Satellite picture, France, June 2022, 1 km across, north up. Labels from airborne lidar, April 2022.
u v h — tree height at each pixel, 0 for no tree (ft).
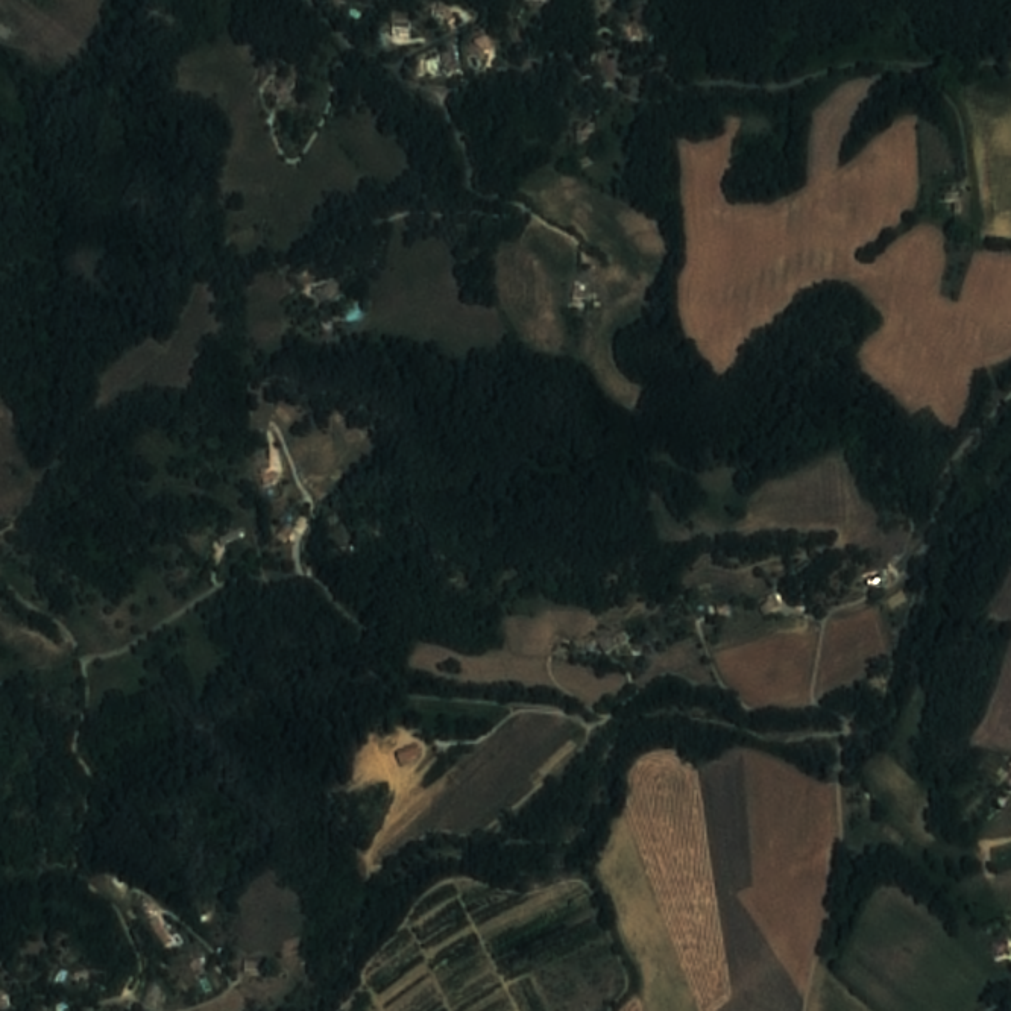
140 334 37
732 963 0
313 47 51
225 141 44
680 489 54
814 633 0
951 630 52
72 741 29
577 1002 0
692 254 0
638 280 0
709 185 0
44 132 41
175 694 47
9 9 0
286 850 22
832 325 43
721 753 48
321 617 66
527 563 42
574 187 0
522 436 53
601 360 0
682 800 0
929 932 0
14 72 32
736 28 37
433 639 45
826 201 0
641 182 31
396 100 59
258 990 0
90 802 34
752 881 0
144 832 52
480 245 42
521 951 25
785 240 0
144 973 24
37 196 46
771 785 0
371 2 27
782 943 0
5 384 33
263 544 22
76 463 41
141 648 21
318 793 38
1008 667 0
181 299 36
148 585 0
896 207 0
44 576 36
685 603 26
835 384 56
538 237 0
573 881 0
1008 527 25
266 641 40
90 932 33
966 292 0
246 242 0
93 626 0
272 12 31
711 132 45
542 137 29
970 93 0
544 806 31
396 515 40
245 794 19
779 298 0
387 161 0
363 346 46
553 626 0
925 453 31
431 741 44
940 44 51
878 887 36
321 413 49
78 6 0
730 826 0
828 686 0
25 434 57
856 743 56
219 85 0
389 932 48
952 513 51
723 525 0
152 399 33
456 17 24
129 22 46
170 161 73
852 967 0
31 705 20
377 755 0
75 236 41
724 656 0
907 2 30
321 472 0
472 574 38
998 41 62
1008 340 0
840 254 0
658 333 27
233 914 43
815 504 0
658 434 60
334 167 0
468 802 0
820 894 0
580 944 18
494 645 33
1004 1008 49
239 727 64
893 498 34
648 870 0
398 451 37
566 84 44
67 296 56
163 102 72
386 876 41
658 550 38
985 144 0
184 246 35
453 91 25
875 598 43
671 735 38
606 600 29
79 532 42
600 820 36
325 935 38
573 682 0
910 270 0
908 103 49
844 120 0
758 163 35
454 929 23
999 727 0
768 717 52
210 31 18
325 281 32
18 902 58
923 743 31
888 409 58
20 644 0
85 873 64
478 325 0
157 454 0
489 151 47
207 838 29
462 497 41
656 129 41
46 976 29
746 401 53
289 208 0
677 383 57
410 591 60
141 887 33
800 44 35
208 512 39
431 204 31
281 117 36
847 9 48
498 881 48
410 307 0
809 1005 0
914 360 0
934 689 40
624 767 49
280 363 44
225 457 49
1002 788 20
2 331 71
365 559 37
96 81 67
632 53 64
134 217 62
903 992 0
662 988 0
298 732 103
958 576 56
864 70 40
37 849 34
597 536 52
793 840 0
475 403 68
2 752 20
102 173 30
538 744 0
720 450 66
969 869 41
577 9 37
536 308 0
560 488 95
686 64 40
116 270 40
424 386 64
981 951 0
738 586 0
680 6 36
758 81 41
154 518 36
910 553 0
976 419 44
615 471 68
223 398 58
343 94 37
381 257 26
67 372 63
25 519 28
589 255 29
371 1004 23
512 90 51
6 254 39
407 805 0
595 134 22
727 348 0
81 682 41
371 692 69
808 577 50
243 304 25
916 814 0
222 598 24
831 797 0
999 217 0
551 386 58
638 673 22
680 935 0
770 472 60
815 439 51
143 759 38
